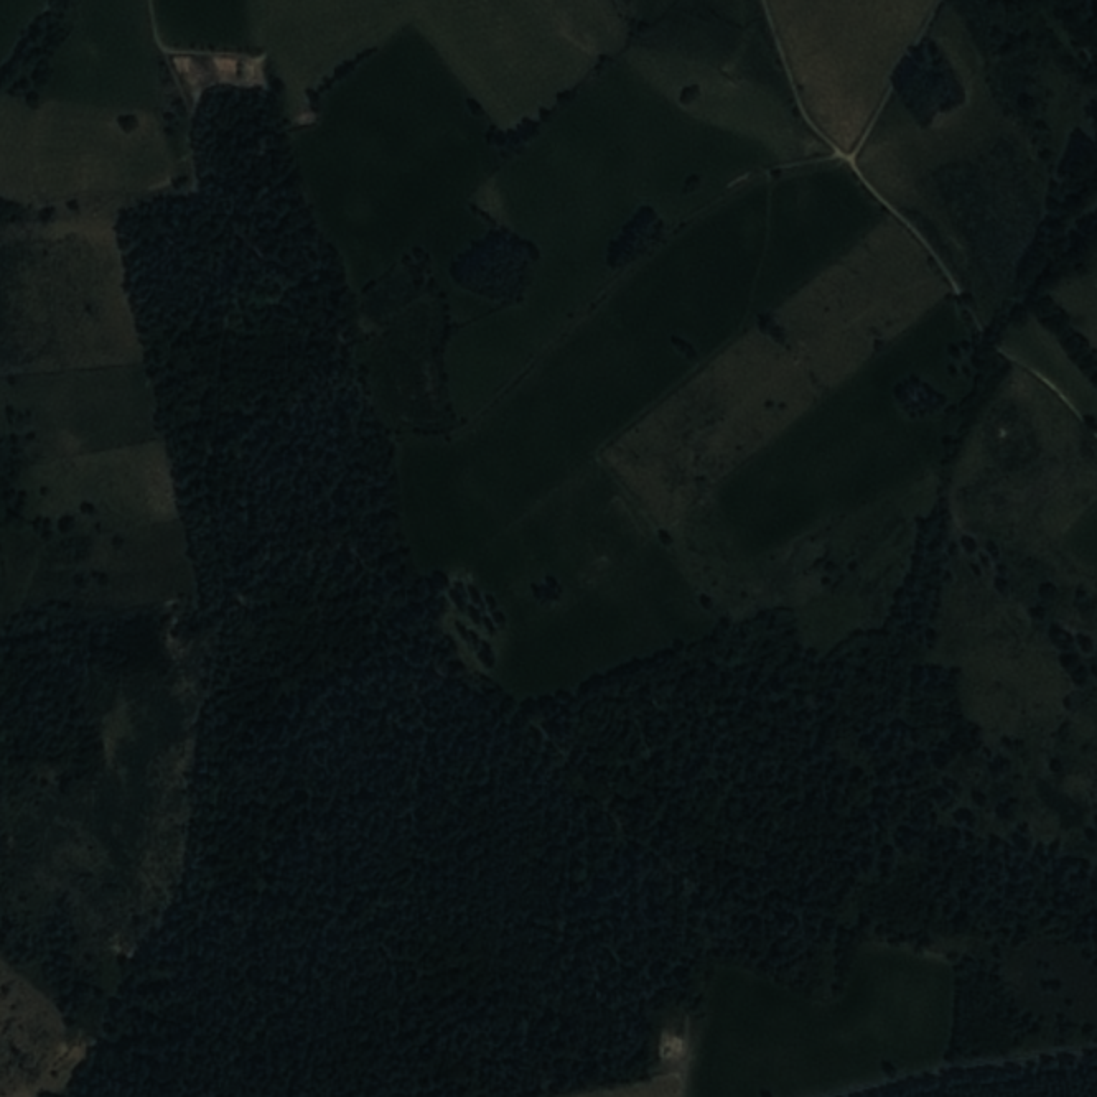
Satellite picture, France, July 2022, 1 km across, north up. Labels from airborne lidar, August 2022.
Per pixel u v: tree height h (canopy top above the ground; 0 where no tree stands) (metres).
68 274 0
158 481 0
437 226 0
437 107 0
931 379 0
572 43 0
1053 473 0
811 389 0
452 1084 9
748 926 16
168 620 7
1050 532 0
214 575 17
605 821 12
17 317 0
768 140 0
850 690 6
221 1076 27
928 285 0
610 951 9
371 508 20
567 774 17
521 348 0
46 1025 0
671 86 0
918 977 0
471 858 19
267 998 19
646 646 0
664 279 0
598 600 0
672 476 0
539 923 14
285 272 28
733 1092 0
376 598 25
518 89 0
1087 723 0
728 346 0
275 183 12
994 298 0
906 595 12
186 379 10
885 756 11
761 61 0
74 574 0
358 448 20
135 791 0
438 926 18
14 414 11
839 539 0
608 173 0
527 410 0
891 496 0
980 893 20
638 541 0
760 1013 0
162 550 0
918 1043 0
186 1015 8
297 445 15
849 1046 0
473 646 20
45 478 0
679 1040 0
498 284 25
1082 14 24
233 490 22
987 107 0
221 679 9
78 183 0
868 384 0
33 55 11
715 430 0
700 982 9
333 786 25
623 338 0
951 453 6
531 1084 18
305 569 24
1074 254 27
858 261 0
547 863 18
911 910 6
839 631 0
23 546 0
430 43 0
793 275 0
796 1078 0
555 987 27
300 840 25
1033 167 0
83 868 0
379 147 0
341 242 0
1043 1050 0
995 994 13
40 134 0
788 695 6
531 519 0
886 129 0
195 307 18
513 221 0
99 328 0
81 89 0
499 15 0
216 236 22
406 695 24
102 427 0
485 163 0
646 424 0
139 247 13
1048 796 0
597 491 0
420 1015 19
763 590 0
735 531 0
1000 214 0
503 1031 19
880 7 0
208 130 13
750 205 0
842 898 26
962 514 0
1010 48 14
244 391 12
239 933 24
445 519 0
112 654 14
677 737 12
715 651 12
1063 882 31
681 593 0
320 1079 22
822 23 0
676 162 0
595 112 0
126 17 0
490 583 0
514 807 25
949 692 17
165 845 0
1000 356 8
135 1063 25
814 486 0
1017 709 0
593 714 15
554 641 0
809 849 16
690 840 16
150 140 0
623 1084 14
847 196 0
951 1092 19
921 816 20
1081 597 10
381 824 25
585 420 0
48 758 10
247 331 10
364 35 0
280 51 0
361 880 14
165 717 0
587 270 0
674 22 0
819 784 15
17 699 9
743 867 10
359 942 18
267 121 21
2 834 8
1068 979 0
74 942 10
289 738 19
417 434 10
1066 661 14
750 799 15
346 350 10
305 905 23
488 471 0
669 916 28
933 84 25
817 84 0
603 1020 21
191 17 0
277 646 10
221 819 6
